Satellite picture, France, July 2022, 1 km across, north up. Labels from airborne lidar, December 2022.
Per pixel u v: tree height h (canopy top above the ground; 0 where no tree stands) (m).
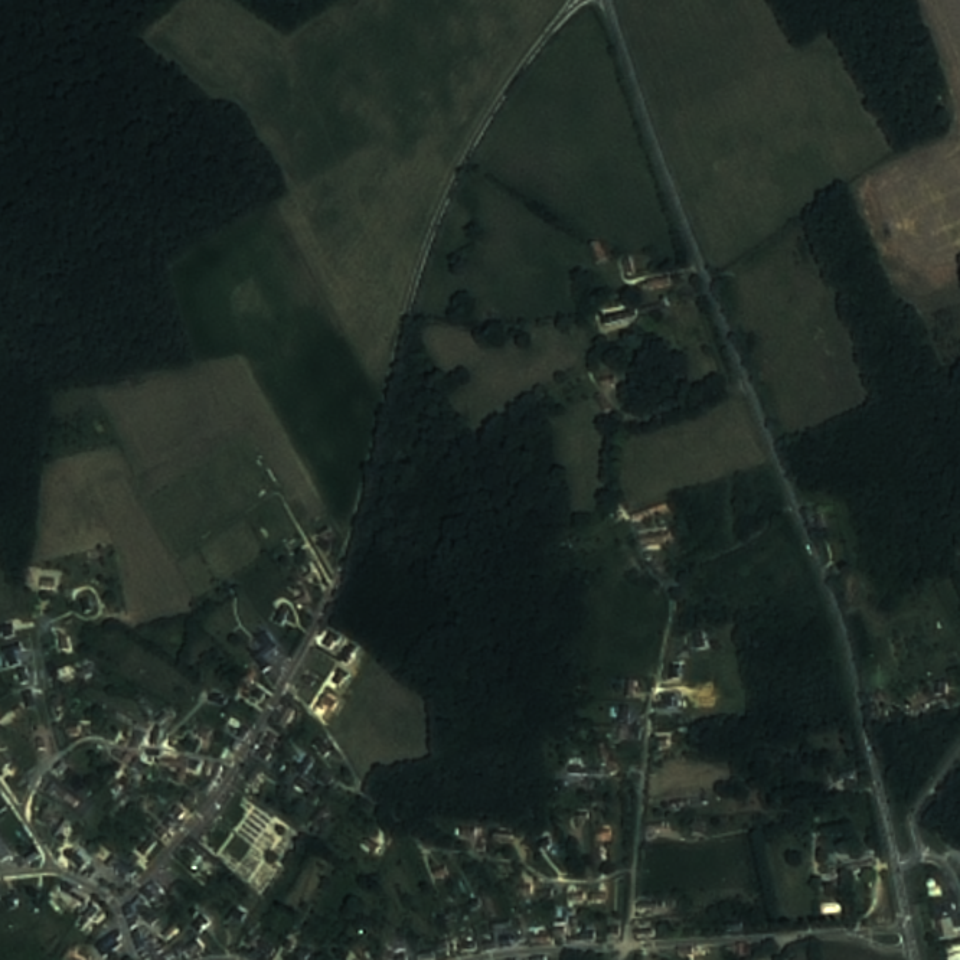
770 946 16
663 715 0
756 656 13
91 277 21
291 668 0
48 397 14
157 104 22
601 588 0
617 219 0
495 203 0
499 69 0
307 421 0
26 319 22
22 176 21
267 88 0
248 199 18
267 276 0
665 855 0
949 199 0
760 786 16
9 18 22
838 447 9
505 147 0
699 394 16
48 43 20
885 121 17
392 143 0
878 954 0
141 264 20
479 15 0
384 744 0
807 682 13
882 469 14
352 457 0
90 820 0
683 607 8
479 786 22
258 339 0
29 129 26
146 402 0
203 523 0
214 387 0
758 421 0
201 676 10
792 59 0
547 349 0
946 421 16
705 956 0
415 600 9
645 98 0
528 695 26
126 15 24
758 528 10
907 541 9
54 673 7
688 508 6
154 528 0
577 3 0
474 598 27
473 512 26
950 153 0
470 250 9
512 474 24
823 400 0
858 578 0
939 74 19
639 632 0
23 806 0
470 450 28
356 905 19
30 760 0
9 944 0
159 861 0
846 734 13
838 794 14
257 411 0
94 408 0
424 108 0
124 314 19
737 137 0
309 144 0
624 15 0
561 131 0
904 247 0
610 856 10
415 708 0
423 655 23
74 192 24
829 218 22
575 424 0
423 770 16
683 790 0
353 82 0
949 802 19
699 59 0
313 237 0
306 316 0
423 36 0
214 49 0
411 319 15
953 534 18
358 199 0
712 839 0
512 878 7
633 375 18
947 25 0
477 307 15
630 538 7
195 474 0
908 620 0
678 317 0
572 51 0
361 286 0
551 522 26
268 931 8
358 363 0
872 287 21
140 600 0
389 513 22
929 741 18
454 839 13
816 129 0
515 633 26
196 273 0
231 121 20
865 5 26
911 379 25
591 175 0
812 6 21
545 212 6
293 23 18
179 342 15
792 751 15
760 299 0
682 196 0
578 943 0
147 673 0
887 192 0
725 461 0
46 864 0
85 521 0
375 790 14
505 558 28
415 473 22
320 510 0
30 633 0
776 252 0
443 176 0
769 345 0
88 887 0
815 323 0
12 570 8
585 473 0
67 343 20
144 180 16
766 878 16
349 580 15
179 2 16
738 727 23
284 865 7
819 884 16
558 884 0
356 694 0
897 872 0
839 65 0
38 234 24
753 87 0
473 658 26
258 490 0
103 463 0
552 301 0
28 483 12
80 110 26
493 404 0
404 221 0
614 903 0
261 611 0
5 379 18
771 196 0
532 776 25
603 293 13
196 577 0
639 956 8
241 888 11
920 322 17
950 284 0
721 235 0
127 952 0
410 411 25
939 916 0
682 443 0
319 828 7
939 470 9
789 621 9
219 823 0
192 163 24
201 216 19
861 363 18
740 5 0
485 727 25
